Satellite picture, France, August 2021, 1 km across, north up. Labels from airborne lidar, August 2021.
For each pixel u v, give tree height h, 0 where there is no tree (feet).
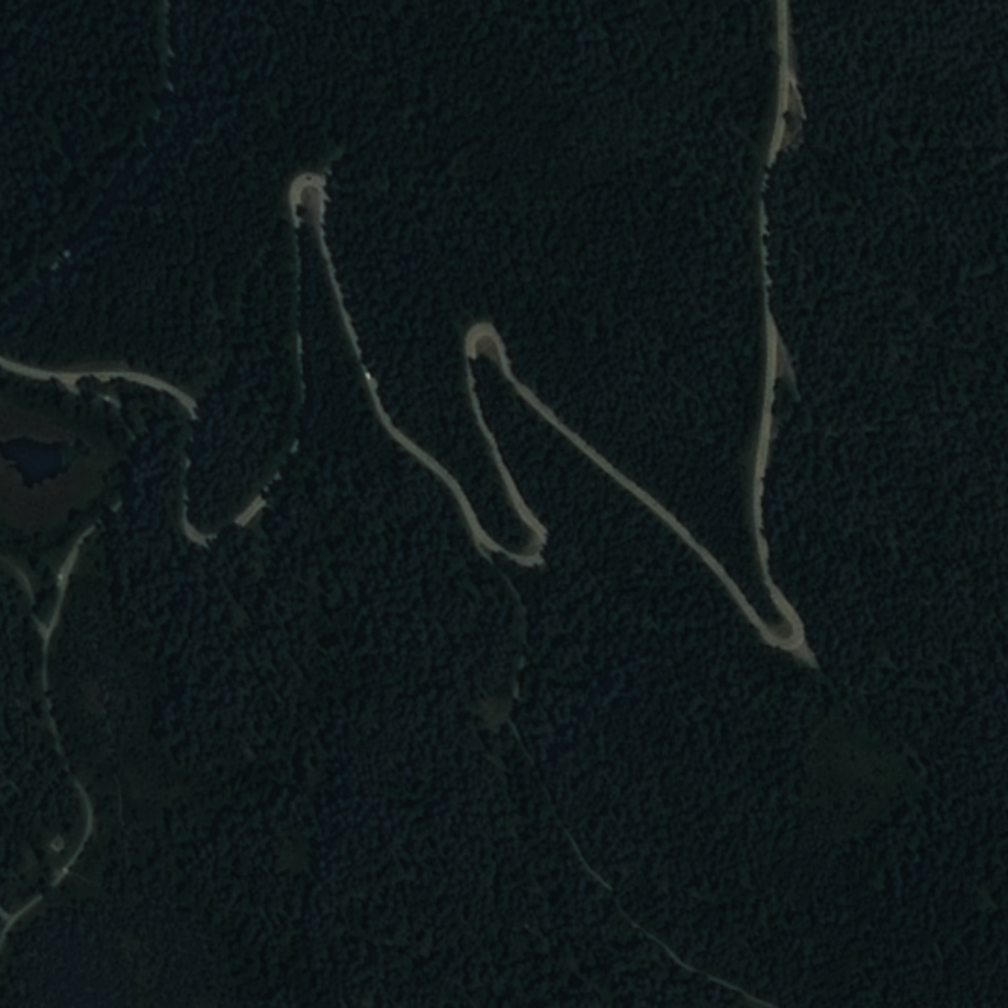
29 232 80
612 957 71
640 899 44
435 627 93
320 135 70
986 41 94
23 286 25
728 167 26
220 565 110
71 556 0
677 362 82
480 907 90
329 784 25
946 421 90
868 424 54
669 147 34
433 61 36
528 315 70
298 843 39
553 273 59
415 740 98
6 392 73
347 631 46
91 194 76
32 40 117
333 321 88
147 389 40
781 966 77
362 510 107
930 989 56
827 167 36
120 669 30
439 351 68
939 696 54
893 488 60
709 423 17
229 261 53
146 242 39
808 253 78
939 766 39
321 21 62
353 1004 86
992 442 61
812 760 82
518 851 86
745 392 39
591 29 108
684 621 79
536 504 68
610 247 85
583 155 95
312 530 86
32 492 0
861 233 93
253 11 87
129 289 74
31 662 37
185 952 26
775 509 72
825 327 79
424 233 88
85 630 22
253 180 60
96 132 83
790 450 74
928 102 105
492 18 39
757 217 36
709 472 54
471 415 72
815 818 50
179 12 48
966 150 65
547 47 103
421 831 83
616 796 91
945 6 84
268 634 102
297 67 72
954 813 48
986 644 69
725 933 70
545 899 54
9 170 72
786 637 0
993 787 54
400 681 53
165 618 94
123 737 36
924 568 78
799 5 55
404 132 52
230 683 44
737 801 68
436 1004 87
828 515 80
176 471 70
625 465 63
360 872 77
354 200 67
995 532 96
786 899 73
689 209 52
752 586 75
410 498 102
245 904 57
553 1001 73
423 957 0
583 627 104
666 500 32
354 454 43
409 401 82
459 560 67
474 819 87
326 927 87
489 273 59
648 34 55
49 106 92
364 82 58
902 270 28
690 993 41
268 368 68
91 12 97
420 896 66
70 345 56
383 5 27
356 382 66
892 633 79
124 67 79
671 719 68
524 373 61
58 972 23
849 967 72
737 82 61
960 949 45
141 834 23
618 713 57
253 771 38
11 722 80
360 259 72
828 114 72
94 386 66
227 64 35
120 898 43
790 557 50
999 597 45
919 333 85
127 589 74
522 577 61
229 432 103
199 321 93
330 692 52
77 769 40
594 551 65
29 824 72
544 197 33
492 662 72
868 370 86
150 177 69
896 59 90
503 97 74
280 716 47
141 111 51
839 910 68
